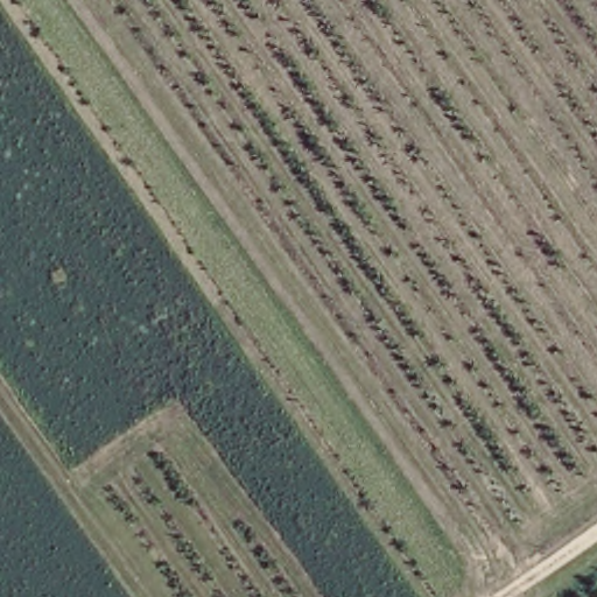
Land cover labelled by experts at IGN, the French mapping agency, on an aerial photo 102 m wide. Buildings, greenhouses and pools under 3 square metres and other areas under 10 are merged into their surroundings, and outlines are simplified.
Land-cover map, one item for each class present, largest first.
<instances>
[{"label":"herbaceous vegetation","instance_id":"1","mask_svg":"<svg viewBox=\"0 0 597 597\"><path fill-rule=\"evenodd\" d=\"M201 26L210 30L212 44L222 47V54L229 56V63L236 68V77H226L224 70H219L212 51H208L205 42L189 30V23L182 19V12L173 5V0H0V7L5 9L23 42L42 61L44 70L58 84L68 105L77 112V117L84 121L93 140L107 154L114 170L126 180L138 203L154 219L173 254L182 261V266L194 278L198 289L205 294L210 305L219 312V317L243 347L257 375L273 389L280 406L296 422L303 438L312 445V450L331 473L338 490L350 501H357V506L361 508L359 518L364 520V525L375 536L389 562L396 567V571L406 578V583L415 590L417 597H483L501 590L520 574L534 569L541 560L560 550L574 536L583 534L588 527L597 522V56L555 0H476L499 26V33L508 40L511 54L501 56L499 44L485 35V26L473 16L464 0H315L324 12L326 21L343 35L345 44L364 65L368 77L378 82V91L385 105L382 114L375 112L373 103L361 89L368 77L352 79L350 68L340 63L336 54L340 40L329 42V37L319 33L315 19L303 9L301 0H217L222 2L226 19L238 30L236 37H229L219 26L217 16L212 14V9L203 0H187ZM378 2L389 7L392 19L399 23V28L408 30L420 44L427 68L424 75H420L413 68L410 56L403 51L401 44L406 40L394 42L389 28L382 23L380 16L373 14ZM511 14H518L522 19L527 33L536 37V42L541 44L539 51L532 54L529 47L520 42L513 23L508 21ZM450 19L464 21L466 28L473 30V44L478 47L476 51L469 54L462 40L452 35L448 26ZM305 37L319 49V54H324L326 63L331 65L333 75L345 84L347 93L333 91L319 63L303 54L299 42ZM268 42H275L299 63V72L308 79L310 91L324 103L326 114L336 119L329 128L317 121L312 107L303 100V93L294 86L292 77L287 75V68H282L266 49ZM238 82H243L252 91L254 103H259L268 112L280 140L287 142L289 152L303 163V170H308L310 180L317 182L324 198L333 205L326 215L315 208L305 187L296 182L289 166L282 161L280 152L268 142L259 121L243 105L240 96L231 89V84ZM555 82H564L571 86V93L581 105L578 110H571L567 100L557 96ZM429 86H438L450 98L448 110H452L473 131L471 142L462 140V135L450 126V121L443 117V110L429 98ZM546 100L553 105L555 114L564 119L571 138L581 145L585 159L576 161L574 152L567 149L562 135L543 117ZM305 131L312 138H317L319 147L333 159L343 177L340 182L333 184L326 175V168L319 166L315 156L301 145L299 135ZM245 142H252L257 149L264 152L268 161L266 170H259L257 163L247 156ZM371 177H378L387 196L394 198L399 215L406 219V229H396L389 215L382 210V205L373 201L371 189L366 187ZM443 187H448L450 194L457 196V203L466 208L464 229L457 224L450 205H445V201L438 196ZM299 212L308 217V222L315 229V236L324 243L329 254L319 257L317 250L310 245L308 236L296 226L294 219L299 217ZM338 219L350 226L357 245L364 250L366 261L385 278V285L406 305V312L410 315L415 326L424 331V336L431 340L429 345L422 343L417 336L406 333L392 308L375 292L373 282L350 259L345 243L331 229V222ZM529 229H536L555 250L562 252V259L581 273L576 287L569 285L564 275L555 268L560 261L555 254H541V250L527 236ZM480 233L490 247H497L501 252L499 261L483 259L480 250L473 243ZM415 240L424 247L436 268L452 282L450 299L441 296L438 285L413 254L410 243ZM459 257H464L471 264L473 275L480 278V282L487 287V299L520 333L515 343H511L501 333V329L476 299V292L469 289L464 273L457 264ZM333 261L343 268V275L350 280L352 294H345L336 282L333 273L329 271V264ZM497 264H501V271H508L511 282L522 292L525 299L532 301L534 317L525 319L520 305L513 303L499 278L490 273V266ZM375 319L380 329L401 347V354L406 357L403 364L396 366V361L389 357V350H385L375 333L368 329V322ZM469 326H480L483 333L492 340L499 361L527 389V401L541 410L539 417L518 410L513 392L492 368L483 347L469 333ZM560 410H569L583 427L585 436L581 443H576L574 431L567 429L564 420L560 417ZM536 424L553 427V434L560 438L564 450L555 455L553 448L539 438V431L534 429ZM485 427L492 429V434L497 436V445L508 457V471H501L497 466V462L490 457V450L485 448V441L478 438V431H483ZM571 5L597 35V0H571ZM0 420L12 431L16 443L26 450V455L37 466L42 478L51 485L54 494L61 499L70 518L84 532L89 543L103 557L105 567L128 597H175L163 574H159L156 560L170 564V569L177 574L180 583L184 585V590L191 592V597H324L312 583L305 567L301 564V560L296 557V553L285 543L280 532L264 515V511L252 501L247 490L219 457L212 441L187 415L180 401H166L163 408L149 413L126 431L117 434L110 443L100 445L82 464L65 466L54 441L47 438L40 422L21 403L14 385L0 373ZM152 450L163 455V459L173 466V471L177 473L180 483L189 490L194 501L208 513L205 522H201L198 511L194 506H187L180 499H175L163 473L149 459ZM105 485H112L114 492L124 499V504L133 513V522H126L121 513L112 508L103 492ZM166 520L177 522L180 534L194 548L198 564L205 571H210V581H201L198 574L191 571L189 562L177 553L166 529ZM520 597H597V543L583 550L564 567H560L557 571H553L550 576H546L541 583L525 590Z\"/></svg>","mask_w":597,"mask_h":597},{"label":"agricultural land","instance_id":"2","mask_svg":"<svg viewBox=\"0 0 597 597\"><path fill-rule=\"evenodd\" d=\"M0 373L14 385L21 403L40 422L47 438L54 441L65 466L82 464L100 445L110 443L117 434L126 431L149 413L163 408L166 401H180L187 415L212 441L219 457L247 490L252 501L264 511V515L280 532L285 543L296 553V557L301 560V564L305 567L312 583L324 597H417L415 590L406 583V578L396 571V567L389 562L375 536L364 525V520L359 518L361 508L357 506V501H350L338 490L331 473L312 450V445L303 438L296 422L280 406L273 389L257 375L243 347L219 317V312L210 305L205 294L198 289L194 278L182 266V261L173 254L154 219L138 203L126 180L114 170L107 154L93 140L84 121L77 117V112L68 105L58 84L44 70L42 61L23 42L5 9L0 7ZM0 597H128L105 567L103 557L89 543L84 532L70 518L61 499L54 494L51 485L42 478L37 466L26 455V450L16 443L12 431L0 420Z\"/></svg>","mask_w":597,"mask_h":597},{"label":"deciduous trees","instance_id":"3","mask_svg":"<svg viewBox=\"0 0 597 597\"><path fill-rule=\"evenodd\" d=\"M173 5L182 12V19L189 23V30L205 42L208 51H212L219 70H224L226 77H236V68L229 63V56L222 54V47L212 44L210 30L201 26L187 0H173ZM212 9V14L217 16L219 26L229 37H236L238 30L226 19L222 2L217 0H203ZM303 9L315 19L319 33L329 37V42L340 40L336 54L340 63L350 68L352 79L368 77L364 65L345 44L343 35L326 21L324 12L315 0H301ZM473 16L485 26V35L499 44L501 56L511 54L508 40L499 33V26L476 0H464ZM597 56V35L571 5V0H555ZM373 14L380 16L382 23L389 28L394 42L406 40L401 44L403 51L410 56L413 68L420 75H424L427 68L420 44L408 30L399 28V23L392 19L389 7L378 2ZM508 21L513 23L520 42L529 47L532 54L539 51L541 44L536 42V37L527 33L522 19L518 14H511ZM448 26L452 35L462 40L469 54L476 51L478 47L473 44V30L466 28L464 21L450 19ZM303 54L319 63L333 91L347 93L345 84L333 75L331 65L326 63L324 54H319V49L305 37L299 42ZM266 49L282 68H287V75L292 77L294 86L303 93V100L312 107L317 121L329 128L336 119L326 114L324 103L310 91L308 79L299 72V63L275 42H268ZM361 89L373 103L375 112L382 114L385 105L378 91V82L368 77ZM231 89L240 96L243 105L259 121L268 142L280 152L282 161L289 166L296 182L305 187L315 208L326 215L333 205L324 198L317 182L310 180L308 170H303V163L289 152L287 142L280 140L268 112L259 103H254L252 91L243 82H238L231 84ZM557 96L567 100L571 110H578L581 105L571 93V86L564 82H555ZM429 98L443 110V117L450 121V126L462 135V140L471 142L473 131L452 110H448L450 98L438 86H429ZM543 117L562 135L567 149L574 152L576 161L585 159L581 145L571 138L564 119L555 114L553 105L546 100ZM301 145L315 156L319 166L326 168V175L333 184L340 182L343 177L333 159L319 147L317 138H312L305 131L299 135ZM247 156L257 163L259 170H266L268 161L264 152L257 149L252 142H245ZM366 187L371 189L373 201L382 205V210L389 215L396 229H406V219L399 215L394 198L387 196L378 177H371ZM438 196L445 201V205H450L457 224L464 229L466 208L457 203V196L450 194L448 187H443ZM296 226L308 236L310 245L317 250L319 257L329 254L324 243L315 236V229L308 222V217L299 212V217L294 219ZM331 229L345 243L350 259L373 282L375 292L392 308L406 333L417 336L422 343L429 345L431 340L424 336V331L415 326L410 315L406 312V305L385 285V278L366 261L364 250L357 245L350 226L338 219L331 222ZM527 236L541 250V254H555L560 261L555 268L564 275L569 285L576 287L581 273L562 259V252L555 250L536 229H529ZM473 243L480 250L483 259L499 261L501 252L497 247H490L480 233ZM413 254L438 285L441 296L450 299L452 282L436 268L424 247L415 240L410 243ZM457 264L464 273L469 289L476 292V299L501 329V333L511 343H515L520 333L487 299V287L480 282V278L473 275L471 264L464 257H459ZM329 271L333 273L336 282L345 294H352L350 280L343 275V268L333 261L329 264ZM490 273L499 278L513 303L520 305L525 319L534 317L532 301L525 299L522 292L511 282L508 271H501V264H497L490 266ZM368 329L375 333L385 350H389V357L396 361V366L403 364L406 357L401 354V347L380 329L375 319L368 322ZM469 333L483 347L492 368L513 392L518 410L539 417L541 410L527 401V389L499 361L492 340L483 333L480 326H469ZM560 417L564 420L567 429L574 431L576 443H581L585 436L583 427L569 410H560ZM534 429L539 431V438L553 448L555 455L564 450L560 438L553 434V427L536 424ZM478 438L485 441V448L490 450V457L497 462V466L501 471H508V457L497 445V436L492 434V429L485 427L483 431H478ZM149 459L163 473L175 499H180L187 506H194L198 511L201 522H205L208 513L194 501L189 490L180 483L177 473L173 471V466L163 459V455L152 450ZM103 492L112 508L121 513L126 522H133V513L124 504V499L114 492L112 485H105ZM166 529L177 553L189 562L191 571L198 574L201 581H210V571H205L198 564L194 548L180 534L177 522L166 520ZM159 574H163L175 597H191V592L184 590V585L180 583L177 574L170 569V564L156 560Z\"/></svg>","mask_w":597,"mask_h":597},{"label":"pervious surface","instance_id":"4","mask_svg":"<svg viewBox=\"0 0 597 597\"><path fill-rule=\"evenodd\" d=\"M597 543V522L588 527L583 534L574 536L560 550L541 560L534 569L520 574L501 590L483 597H520L525 590L541 583L546 576H550L553 571H557L560 567H564L583 550Z\"/></svg>","mask_w":597,"mask_h":597}]
</instances>
